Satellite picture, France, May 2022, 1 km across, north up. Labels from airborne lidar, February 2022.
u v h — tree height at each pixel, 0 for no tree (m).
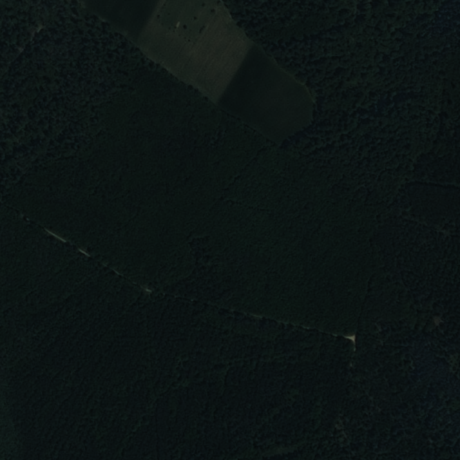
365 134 13
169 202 15
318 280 19
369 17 29
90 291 15
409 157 26
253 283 17
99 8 0
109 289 11
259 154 15
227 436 17
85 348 13
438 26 34
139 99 11
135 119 10
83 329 17
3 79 9
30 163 30
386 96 10
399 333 14
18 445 16
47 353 13
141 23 0
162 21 0
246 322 21
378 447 21
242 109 0
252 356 13
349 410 11
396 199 8
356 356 6
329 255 19
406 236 11
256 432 8
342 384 14
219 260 19
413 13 32
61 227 17
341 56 33
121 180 16
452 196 16
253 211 17
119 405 12
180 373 14
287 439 17
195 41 0
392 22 38
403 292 18
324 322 20
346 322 18
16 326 19
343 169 25
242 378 15
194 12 0
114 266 18
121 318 15
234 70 0
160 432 14
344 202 14
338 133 19
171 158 12
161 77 11
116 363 17
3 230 18
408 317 24
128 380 14
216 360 11
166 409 15
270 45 20
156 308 11
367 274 18
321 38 25
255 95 0
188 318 13
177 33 0
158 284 13
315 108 6
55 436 14
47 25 26
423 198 16
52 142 16
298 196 17
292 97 0
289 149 21
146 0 0
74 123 29
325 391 12
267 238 15
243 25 18
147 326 14
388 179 25
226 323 20
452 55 19
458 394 31
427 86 28
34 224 18
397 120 32
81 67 27
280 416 13
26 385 13
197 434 14
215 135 8
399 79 29
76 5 15
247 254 19
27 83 27
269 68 0
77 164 9
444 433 28
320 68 23
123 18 0
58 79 30
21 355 17
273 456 0
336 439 8
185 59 0
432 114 30
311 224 17
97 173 10
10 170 26
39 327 15
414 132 28
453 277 6
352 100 16
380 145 31
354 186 21
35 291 17
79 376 12
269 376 13
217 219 18
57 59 25
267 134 0
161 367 10
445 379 28
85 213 14
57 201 16
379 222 16
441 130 14
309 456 16
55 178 12
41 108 29
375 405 13
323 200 17
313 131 19
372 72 33
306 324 13
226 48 0
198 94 14
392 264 14
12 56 31
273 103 0
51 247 18
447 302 18
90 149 9
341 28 29
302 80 17
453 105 10
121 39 14
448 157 17
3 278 16
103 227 16
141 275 17
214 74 0
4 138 33
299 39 7
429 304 17
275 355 13
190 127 11
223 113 8
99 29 25
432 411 29
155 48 0
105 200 14
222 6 0
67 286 19
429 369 31
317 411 18
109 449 13
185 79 0
